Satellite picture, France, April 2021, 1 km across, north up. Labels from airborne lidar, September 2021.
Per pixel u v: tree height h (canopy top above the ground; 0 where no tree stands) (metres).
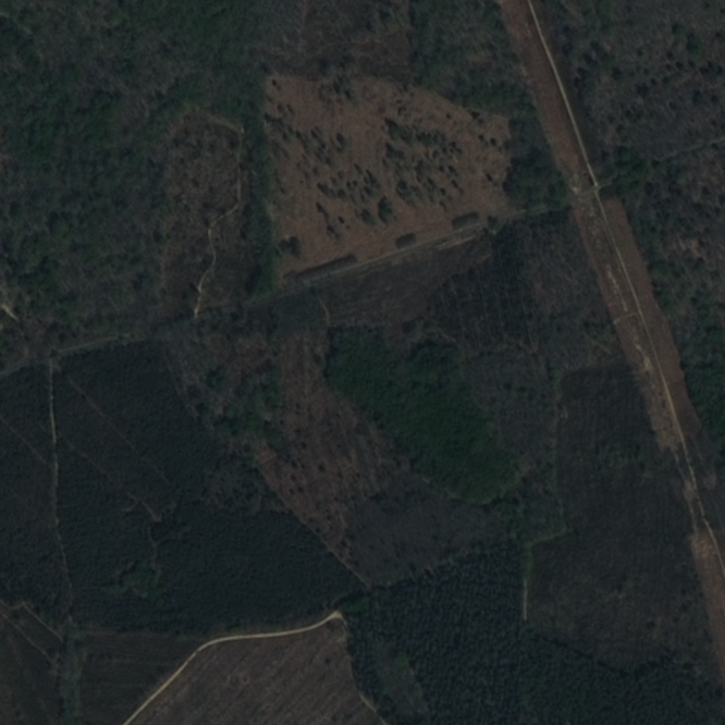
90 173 21
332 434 9
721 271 13
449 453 22
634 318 0
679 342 15
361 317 0
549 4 16
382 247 0
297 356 10
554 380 15
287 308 20
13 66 20
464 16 15
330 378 19
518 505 8
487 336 9
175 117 23
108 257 24
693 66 13
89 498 12
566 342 15
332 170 0
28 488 9
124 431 12
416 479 16
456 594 19
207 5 21
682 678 13
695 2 12
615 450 6
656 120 13
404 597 24
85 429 11
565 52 8
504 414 10
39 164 22
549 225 13
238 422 21
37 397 11
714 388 18
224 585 13
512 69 11
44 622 12
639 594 16
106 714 0
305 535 9
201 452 11
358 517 13
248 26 22
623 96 8
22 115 22
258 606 12
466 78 16
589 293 11
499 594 27
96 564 12
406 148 0
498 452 22
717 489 10
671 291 17
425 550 14
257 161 20
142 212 14
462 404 24
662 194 11
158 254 16
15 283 25
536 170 26
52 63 18
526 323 11
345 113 0
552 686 24
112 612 12
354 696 0
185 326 19
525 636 18
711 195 11
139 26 18
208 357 16
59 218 7
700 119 10
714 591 0
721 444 24
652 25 12
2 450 11
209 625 12
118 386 10
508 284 9
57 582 8
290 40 15
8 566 8
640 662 6
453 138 0
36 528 8
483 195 0
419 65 18
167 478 10
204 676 0
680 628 14
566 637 7
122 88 18
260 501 9
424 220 0
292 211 0
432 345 8
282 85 0
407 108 0
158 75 20
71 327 17
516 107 16
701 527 8
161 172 13
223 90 17
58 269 15
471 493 25
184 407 12
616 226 0
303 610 11
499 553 16
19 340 11
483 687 21
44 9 21
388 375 24
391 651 17
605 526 0
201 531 12
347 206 0
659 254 16
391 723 25
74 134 22
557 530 18
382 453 11
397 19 24
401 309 0
